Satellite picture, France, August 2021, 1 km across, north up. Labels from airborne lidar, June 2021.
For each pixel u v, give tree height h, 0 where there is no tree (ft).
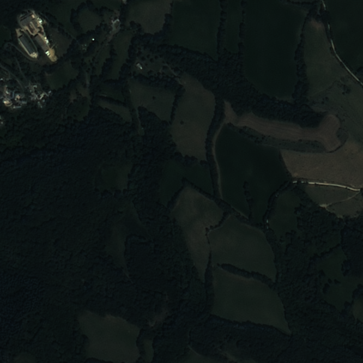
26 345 55
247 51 0
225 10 43
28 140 88
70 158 86
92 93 31
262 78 0
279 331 45
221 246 0
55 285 62
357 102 0
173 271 49
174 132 0
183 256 46
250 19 0
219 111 51
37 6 69
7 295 105
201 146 0
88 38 41
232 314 0
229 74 79
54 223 86
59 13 0
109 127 71
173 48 44
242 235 0
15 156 51
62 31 48
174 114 30
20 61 35
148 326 47
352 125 0
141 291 48
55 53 0
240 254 0
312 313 31
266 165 0
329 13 33
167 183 0
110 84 65
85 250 74
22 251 57
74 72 0
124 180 0
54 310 78
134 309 51
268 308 0
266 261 0
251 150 0
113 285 56
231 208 51
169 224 66
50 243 79
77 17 67
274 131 0
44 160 83
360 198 0
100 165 52
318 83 0
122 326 0
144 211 95
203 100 0
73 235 78
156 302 46
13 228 69
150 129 72
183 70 22
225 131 0
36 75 20
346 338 52
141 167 87
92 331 0
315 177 0
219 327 72
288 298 67
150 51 33
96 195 67
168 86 63
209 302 66
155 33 0
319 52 0
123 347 0
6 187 78
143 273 48
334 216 64
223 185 0
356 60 0
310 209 44
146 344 0
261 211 0
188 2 0
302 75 61
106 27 44
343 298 0
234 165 0
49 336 65
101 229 104
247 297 0
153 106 0
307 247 51
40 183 54
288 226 0
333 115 0
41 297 90
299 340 56
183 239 39
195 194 0
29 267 61
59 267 49
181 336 64
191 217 0
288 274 82
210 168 48
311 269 83
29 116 53
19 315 116
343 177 0
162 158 57
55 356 69
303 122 74
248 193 46
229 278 0
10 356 57
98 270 50
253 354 23
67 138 79
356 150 0
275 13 0
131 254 37
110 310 58
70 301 82
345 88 31
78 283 78
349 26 0
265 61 0
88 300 57
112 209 96
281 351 31
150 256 55
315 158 0
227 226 0
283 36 0
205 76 53
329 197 0
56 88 0
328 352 57
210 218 0
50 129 59
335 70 0
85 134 73
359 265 65
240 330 58
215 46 0
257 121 0
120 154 58
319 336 40
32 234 80
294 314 40
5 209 89
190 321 66
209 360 0
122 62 0
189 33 0
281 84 0
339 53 23
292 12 0
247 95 68
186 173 0
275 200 49
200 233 0
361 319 0
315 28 0
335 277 0
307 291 56
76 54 52
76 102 58
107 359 0
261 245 0
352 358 59
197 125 0
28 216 45
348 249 75
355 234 65
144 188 88
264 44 0
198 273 36
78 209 80
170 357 74
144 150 48
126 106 44
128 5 21
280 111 71
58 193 62
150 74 31
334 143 0
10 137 52
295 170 0
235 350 0
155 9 0
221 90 59
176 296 42
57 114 19
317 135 0
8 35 0
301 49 50
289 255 59
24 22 0
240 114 39
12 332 117
